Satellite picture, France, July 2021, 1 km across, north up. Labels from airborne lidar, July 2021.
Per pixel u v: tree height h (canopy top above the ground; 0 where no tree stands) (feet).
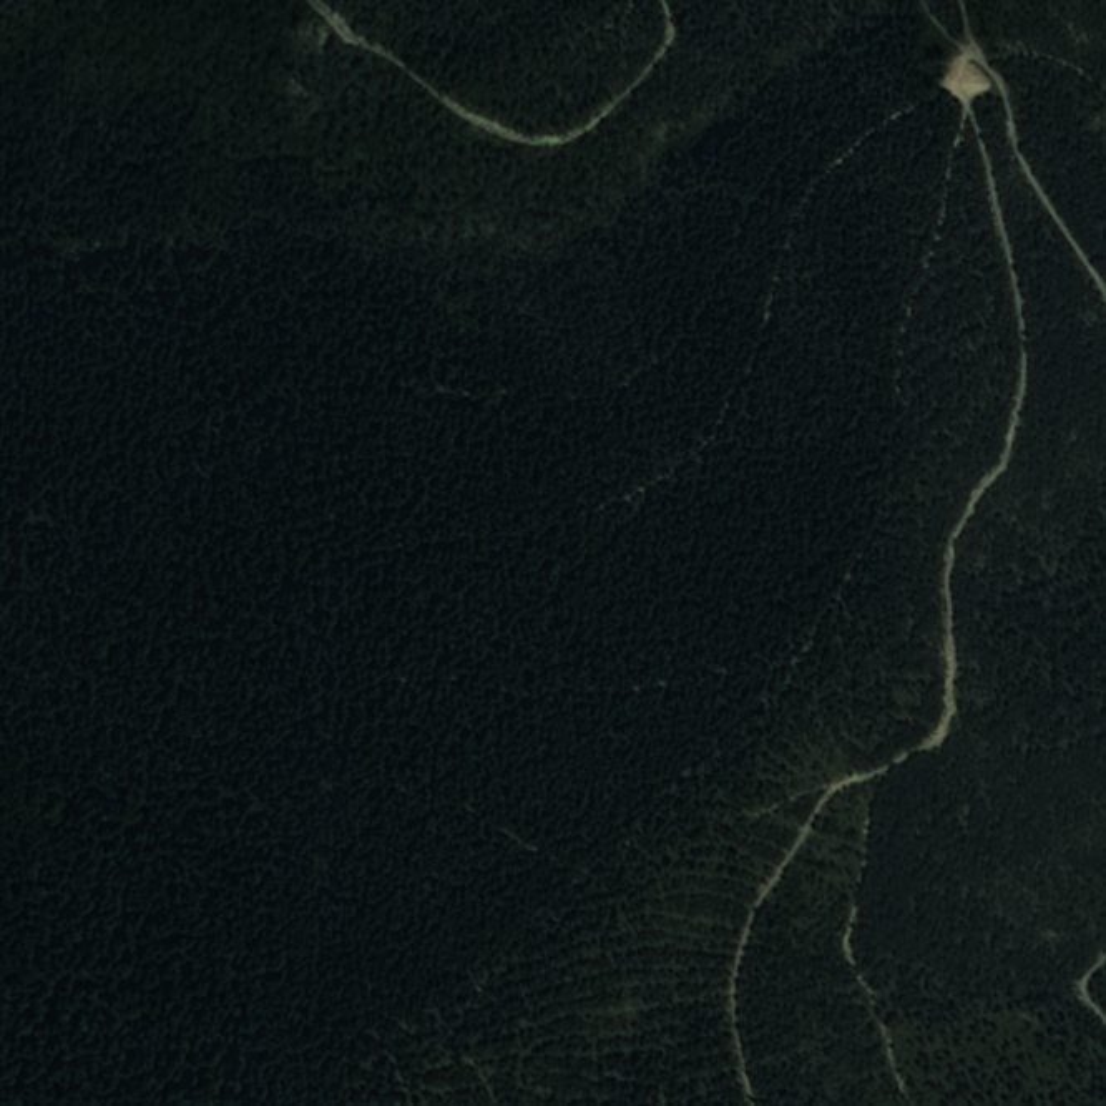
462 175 17
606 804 54
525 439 65
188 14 54
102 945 96
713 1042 35
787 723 52
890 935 46
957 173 21
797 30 40
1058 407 27
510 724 76
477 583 63
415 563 74
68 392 113
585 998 27
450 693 73
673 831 37
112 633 78
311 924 94
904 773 43
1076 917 30
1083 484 20
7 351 118
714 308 57
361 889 92
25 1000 86
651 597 80
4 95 72
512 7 23
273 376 127
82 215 66
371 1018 51
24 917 77
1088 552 46
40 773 87
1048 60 33
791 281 55
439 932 62
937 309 41
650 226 47
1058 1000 35
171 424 87
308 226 67
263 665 72
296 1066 64
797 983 26
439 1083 24
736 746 38
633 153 30
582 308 67
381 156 39
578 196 54
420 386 46
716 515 63
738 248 53
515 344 54
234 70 31
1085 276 26
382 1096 60
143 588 107
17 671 83
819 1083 30
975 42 0
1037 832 26
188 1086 72
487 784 65
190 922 100
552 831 72
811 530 61
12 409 59
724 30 44
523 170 41
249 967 100
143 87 30
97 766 83
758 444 48
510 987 63
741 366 53
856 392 47
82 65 38
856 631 51
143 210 89
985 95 22
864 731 24
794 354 54
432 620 67
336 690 105
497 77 59
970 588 44
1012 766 23
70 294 94
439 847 75
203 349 109
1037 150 29
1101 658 48
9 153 47
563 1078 30
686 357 70
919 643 35
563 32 60
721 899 26
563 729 57
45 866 89
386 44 27
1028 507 27
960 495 33
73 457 103
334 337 105
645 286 43
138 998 63
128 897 99
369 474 90
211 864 84
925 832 36
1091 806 22
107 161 82
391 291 25
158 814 45
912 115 47
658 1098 64
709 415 54
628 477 36
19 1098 76
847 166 31
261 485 98
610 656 87
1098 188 43
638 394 55
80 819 80
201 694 66
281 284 107
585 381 36
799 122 67
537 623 72
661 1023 37
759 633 57
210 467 101
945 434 31
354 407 74
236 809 79
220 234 22
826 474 73
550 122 27
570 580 67
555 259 24
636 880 30
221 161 58
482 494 71
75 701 92
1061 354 43
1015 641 46
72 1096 74
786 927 20
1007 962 40
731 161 72
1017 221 36
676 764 45
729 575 51
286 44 22
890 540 58
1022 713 44
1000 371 40
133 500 42
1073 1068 42
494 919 61
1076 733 31
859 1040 20
